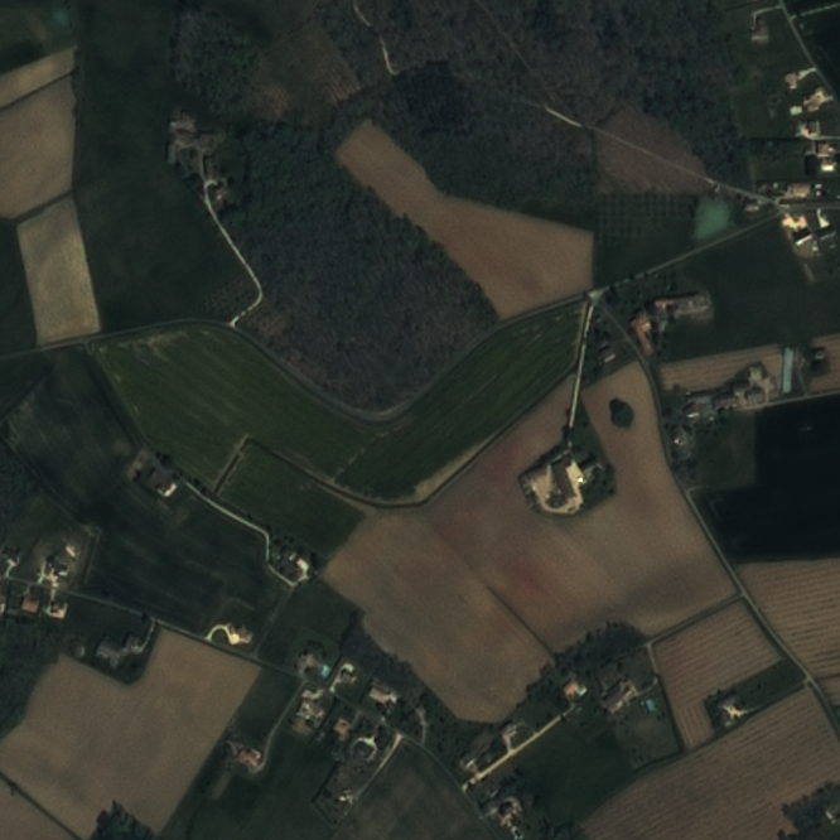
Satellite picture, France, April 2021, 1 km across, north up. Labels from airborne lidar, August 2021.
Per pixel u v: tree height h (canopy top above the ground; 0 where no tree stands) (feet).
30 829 0
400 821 0
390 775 0
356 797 0
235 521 0
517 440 0
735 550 0
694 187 41
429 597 0
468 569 0
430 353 47
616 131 59
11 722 68
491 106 62
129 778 0
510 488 0
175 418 0
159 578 0
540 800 23
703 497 0
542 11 56
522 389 0
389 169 0
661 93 61
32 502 52
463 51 54
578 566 0
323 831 0
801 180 0
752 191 52
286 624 0
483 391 0
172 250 0
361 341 43
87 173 0
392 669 39
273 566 25
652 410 0
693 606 0
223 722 0
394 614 0
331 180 72
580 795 0
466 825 0
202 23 60
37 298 0
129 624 0
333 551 0
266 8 0
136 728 0
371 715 0
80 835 0
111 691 0
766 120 0
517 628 0
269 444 0
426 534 0
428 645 0
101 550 0
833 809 43
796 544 0
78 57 42
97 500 0
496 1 59
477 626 0
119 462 0
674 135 57
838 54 0
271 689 0
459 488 0
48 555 0
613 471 39
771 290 0
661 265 0
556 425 0
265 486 0
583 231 0
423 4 50
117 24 0
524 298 0
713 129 75
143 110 0
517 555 0
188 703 0
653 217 34
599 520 0
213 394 0
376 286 68
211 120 0
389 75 48
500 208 54
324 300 60
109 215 0
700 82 59
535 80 0
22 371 0
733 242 0
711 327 0
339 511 0
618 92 40
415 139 54
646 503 0
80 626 0
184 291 0
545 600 0
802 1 0
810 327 0
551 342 0
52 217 0
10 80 0
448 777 0
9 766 0
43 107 0
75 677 0
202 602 0
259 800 0
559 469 0
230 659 0
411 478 0
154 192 0
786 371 0
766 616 0
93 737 0
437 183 60
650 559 0
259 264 48
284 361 26
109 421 0
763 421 0
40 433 0
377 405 43
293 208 75
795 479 0
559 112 0
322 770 0
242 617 0
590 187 59
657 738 0
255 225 62
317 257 54
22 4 0
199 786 0
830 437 0
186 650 0
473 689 0
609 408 0
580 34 41
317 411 0
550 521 0
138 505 0
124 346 0
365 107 63
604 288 0
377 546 0
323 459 0
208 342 0
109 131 0
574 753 0
